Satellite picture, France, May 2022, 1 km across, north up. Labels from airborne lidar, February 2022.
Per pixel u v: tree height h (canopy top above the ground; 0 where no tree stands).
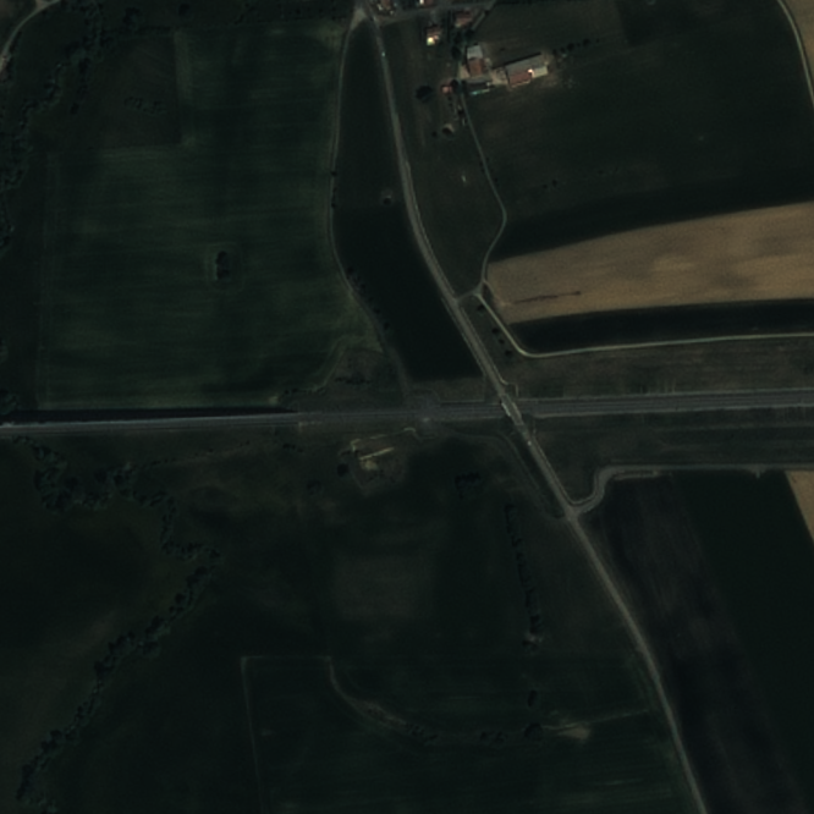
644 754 0
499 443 0
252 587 0
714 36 0
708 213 0
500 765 0
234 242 0
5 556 0
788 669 0
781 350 0
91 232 0
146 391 0
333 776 0
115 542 0
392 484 0
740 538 0
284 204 0
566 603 0
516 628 0
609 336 0
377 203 0
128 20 9
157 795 0
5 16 0
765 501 0
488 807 0
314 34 0
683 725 0
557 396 0
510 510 11
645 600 0
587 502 0
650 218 0
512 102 0
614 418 0
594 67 0
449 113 0
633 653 0
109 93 0
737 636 0
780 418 0
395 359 0
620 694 0
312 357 0
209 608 0
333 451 0
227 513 0
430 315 0
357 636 0
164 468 0
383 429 0
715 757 0
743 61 0
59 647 0
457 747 0
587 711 0
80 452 0
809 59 0
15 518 0
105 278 0
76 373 0
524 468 0
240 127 0
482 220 0
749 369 0
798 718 0
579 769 0
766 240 0
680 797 0
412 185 0
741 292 0
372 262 0
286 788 0
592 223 0
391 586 0
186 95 0
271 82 0
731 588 0
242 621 0
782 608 0
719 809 0
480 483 11
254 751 0
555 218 0
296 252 0
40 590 0
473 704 0
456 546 0
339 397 0
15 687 0
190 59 0
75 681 0
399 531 0
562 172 0
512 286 0
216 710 0
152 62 0
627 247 0
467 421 0
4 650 0
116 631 0
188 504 0
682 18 0
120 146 0
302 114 0
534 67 0
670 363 0
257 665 0
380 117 0
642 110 0
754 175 0
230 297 0
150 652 16
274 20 0
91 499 14
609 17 0
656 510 0
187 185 0
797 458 0
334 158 0
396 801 0
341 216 0
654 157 0
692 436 0
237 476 0
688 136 0
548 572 0
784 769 0
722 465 0
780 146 0
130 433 0
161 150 0
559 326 0
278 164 0
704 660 0
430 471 0
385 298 0
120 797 0
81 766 0
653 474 0
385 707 0
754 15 0
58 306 0
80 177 0
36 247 0
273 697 0
